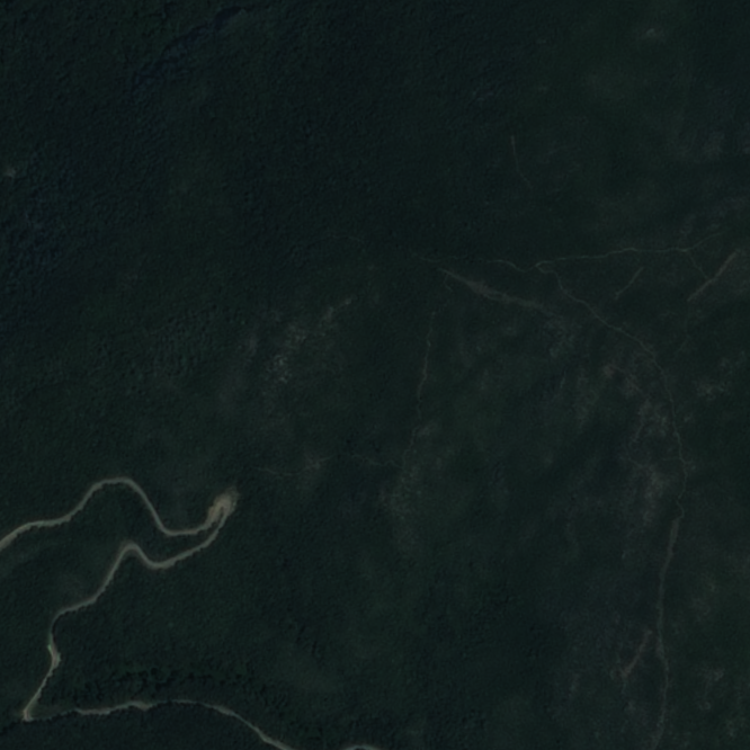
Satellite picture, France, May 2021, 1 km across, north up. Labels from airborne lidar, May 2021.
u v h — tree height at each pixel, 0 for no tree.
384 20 11
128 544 0
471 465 5
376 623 6
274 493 7
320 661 9
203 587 6
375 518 7
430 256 9
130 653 8
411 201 8
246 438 6
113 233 6
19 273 7
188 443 8
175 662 18
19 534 8
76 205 12
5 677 10
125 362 8
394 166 5
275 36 12
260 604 10
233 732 16
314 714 8
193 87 6
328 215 7
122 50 20
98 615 13
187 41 5
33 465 9
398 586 6
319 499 6
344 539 7
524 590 7
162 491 7
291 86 14
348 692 6
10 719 15
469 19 7
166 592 7
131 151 10
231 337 6
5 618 10
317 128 13
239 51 8
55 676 10
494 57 6
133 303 7
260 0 7
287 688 9
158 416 6
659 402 0
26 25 23
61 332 12
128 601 6
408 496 7
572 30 6
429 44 9
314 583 7
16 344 9
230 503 0
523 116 7
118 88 16
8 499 6
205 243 9
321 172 11
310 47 12
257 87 14
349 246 6
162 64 12
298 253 6
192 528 8
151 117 6
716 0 5
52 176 10
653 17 6
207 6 19
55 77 11
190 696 17
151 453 6
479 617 11
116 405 10
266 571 10
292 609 17
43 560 12
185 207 8
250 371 6
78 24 22
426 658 11
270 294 6
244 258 8
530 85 6
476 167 6
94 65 20
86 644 14
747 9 5
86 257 10
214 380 6
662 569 0
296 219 10
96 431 10
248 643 8
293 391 6
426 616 10
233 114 12
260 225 13
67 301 12
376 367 7
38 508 10
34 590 9
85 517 10
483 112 6
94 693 20
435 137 7
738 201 0
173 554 6
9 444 9
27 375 11
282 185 17
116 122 14
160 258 8
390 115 6
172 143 7
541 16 6
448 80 6
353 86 14
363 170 9
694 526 0
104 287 8
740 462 5
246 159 15
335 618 7
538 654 10
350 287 6
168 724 20
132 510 13
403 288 6
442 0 10
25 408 13
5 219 6
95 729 13
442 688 5
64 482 10
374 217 8
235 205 11
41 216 11
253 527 7
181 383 7
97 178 10
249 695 20
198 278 7
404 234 8
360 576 8
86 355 9
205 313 11
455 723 12
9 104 18
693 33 8
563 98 5
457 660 6
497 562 7
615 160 7
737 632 6
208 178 8
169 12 20
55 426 13
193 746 9
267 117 16
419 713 8
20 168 10
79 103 19
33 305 10
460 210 8
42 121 14
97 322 9
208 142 12
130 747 17
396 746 11
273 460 6
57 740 17
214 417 9
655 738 0
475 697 6
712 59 6
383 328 6
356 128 11
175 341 15
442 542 6
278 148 13
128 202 12
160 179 9
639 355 0
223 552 6
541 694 5
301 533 9
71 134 12
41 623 8
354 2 13
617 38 5
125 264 8
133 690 20
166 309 6
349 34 13
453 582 7
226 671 13
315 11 9
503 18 6
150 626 7
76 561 7
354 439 9
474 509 7
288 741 15
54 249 8
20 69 17
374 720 9
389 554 7
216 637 8
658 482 0
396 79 8
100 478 6
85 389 8
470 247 10
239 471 8
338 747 9
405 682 7
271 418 7
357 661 5
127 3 19
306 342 6
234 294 7
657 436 0
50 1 19
